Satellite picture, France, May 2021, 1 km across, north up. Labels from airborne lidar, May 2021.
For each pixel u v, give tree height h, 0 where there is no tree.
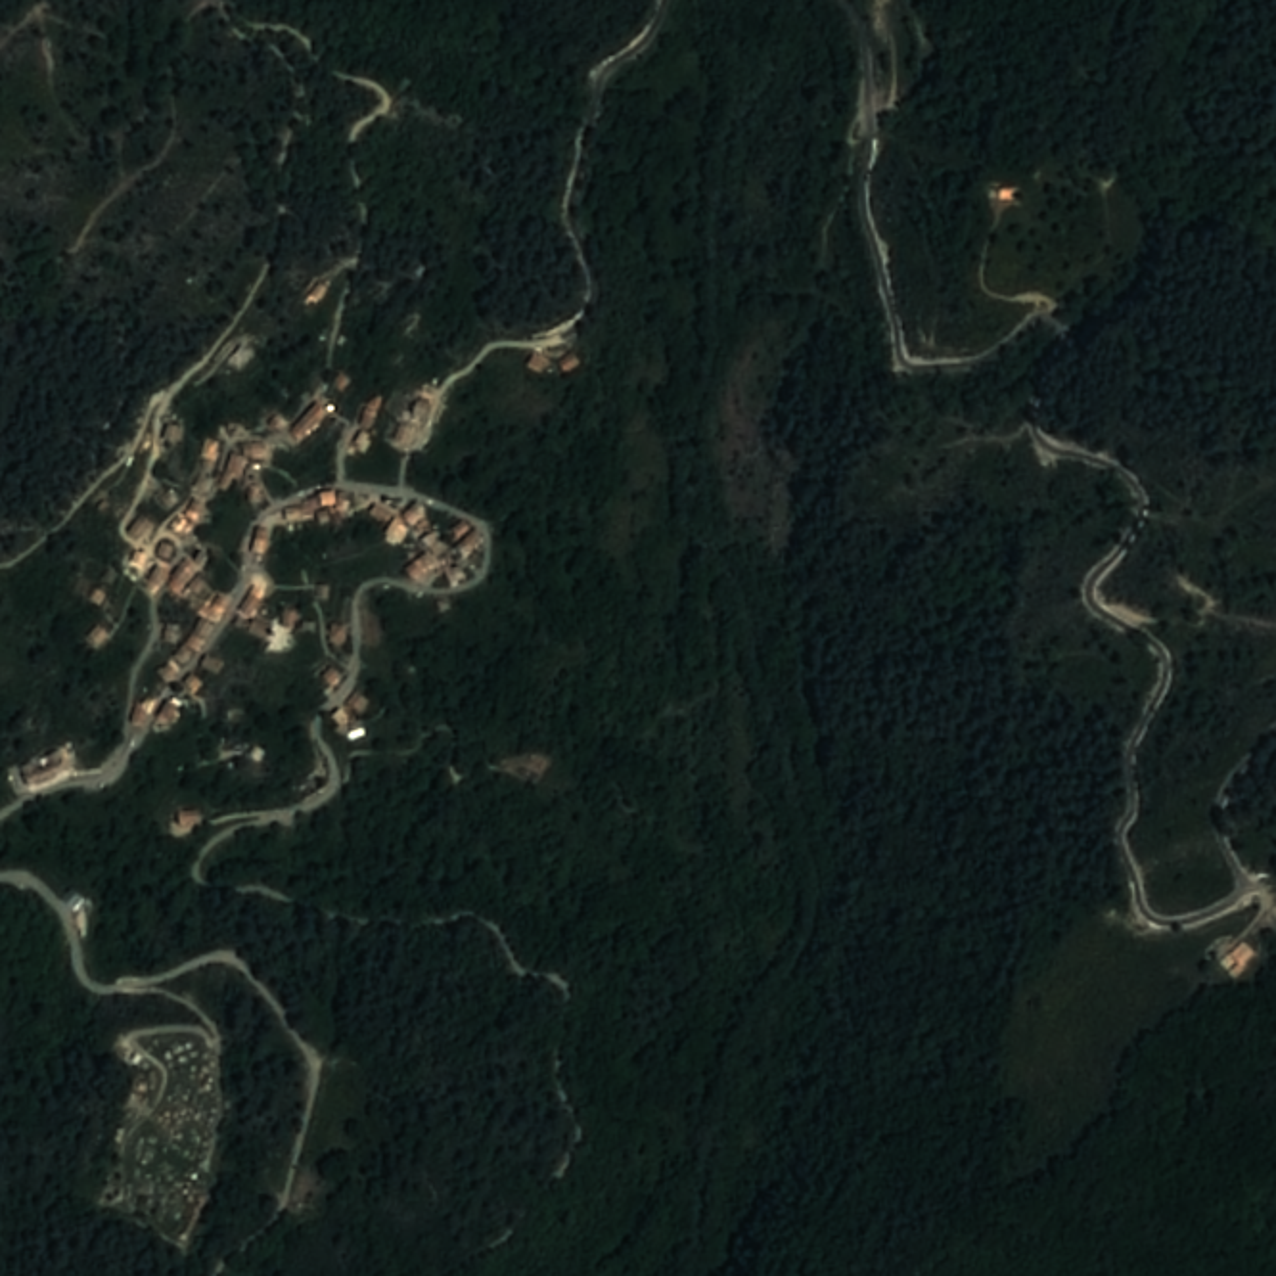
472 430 8
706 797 11
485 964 7
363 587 0
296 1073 23
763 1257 32
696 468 16
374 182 21
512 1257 9
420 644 15
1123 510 14
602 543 21
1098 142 26
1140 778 6
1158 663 0
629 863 14
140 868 18
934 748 8
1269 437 15
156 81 14
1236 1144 21
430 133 13
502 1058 22
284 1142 13
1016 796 16
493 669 14
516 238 22
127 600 0
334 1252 8
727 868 14
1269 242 15
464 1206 15
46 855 9
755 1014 22
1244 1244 21
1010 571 14
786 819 13
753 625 21
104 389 21
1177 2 17
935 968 13
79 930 0
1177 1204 21
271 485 0
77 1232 24
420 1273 23
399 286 11
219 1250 23
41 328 29
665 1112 9
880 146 0
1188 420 29
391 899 22
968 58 19
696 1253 22
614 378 11
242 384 0
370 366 11
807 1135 17
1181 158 14
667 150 21
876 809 29
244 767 10
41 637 11
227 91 17
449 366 6
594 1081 24
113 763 0
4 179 0
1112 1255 24
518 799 12
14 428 19
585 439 14
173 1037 0
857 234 11
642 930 11
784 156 6
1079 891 19
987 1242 24
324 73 19
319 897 22
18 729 15
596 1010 15
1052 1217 18
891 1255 18
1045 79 21
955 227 10
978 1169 16
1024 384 15
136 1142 0
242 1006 20
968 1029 16
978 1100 11
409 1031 12
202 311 0
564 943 13
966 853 16
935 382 11
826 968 17
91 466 19
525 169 22
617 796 13
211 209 16
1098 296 15
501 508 16
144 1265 24
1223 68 19
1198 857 0
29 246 12
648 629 16
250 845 8
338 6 7
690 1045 24
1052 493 7
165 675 0
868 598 32
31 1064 15
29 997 9
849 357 16
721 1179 17
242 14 15
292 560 6
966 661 27
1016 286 0
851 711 25
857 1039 18
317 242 15
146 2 11
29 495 24
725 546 12
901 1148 24
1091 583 0
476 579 0
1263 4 18
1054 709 22
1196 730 6
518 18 24
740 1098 16
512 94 27
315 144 6
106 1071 25
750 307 22
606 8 16
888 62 12
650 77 7
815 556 23
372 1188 15
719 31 10
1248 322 30
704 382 29
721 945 19
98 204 0
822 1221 25
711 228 20
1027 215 0
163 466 8
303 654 0
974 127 16
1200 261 37
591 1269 19
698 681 14
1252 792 24
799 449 29
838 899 9
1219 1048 18
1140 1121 24
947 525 32
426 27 10
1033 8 14
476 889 20
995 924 15
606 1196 12
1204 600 0
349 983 16
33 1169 22
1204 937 0
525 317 20
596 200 21
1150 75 17
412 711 13
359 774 24
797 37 10
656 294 25
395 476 0
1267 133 15
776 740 20
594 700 19
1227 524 0
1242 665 14
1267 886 0
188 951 7
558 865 9
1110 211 0
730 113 17
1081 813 21
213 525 7
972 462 7
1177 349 29
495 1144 19
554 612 10
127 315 14
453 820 14
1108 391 30
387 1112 12
